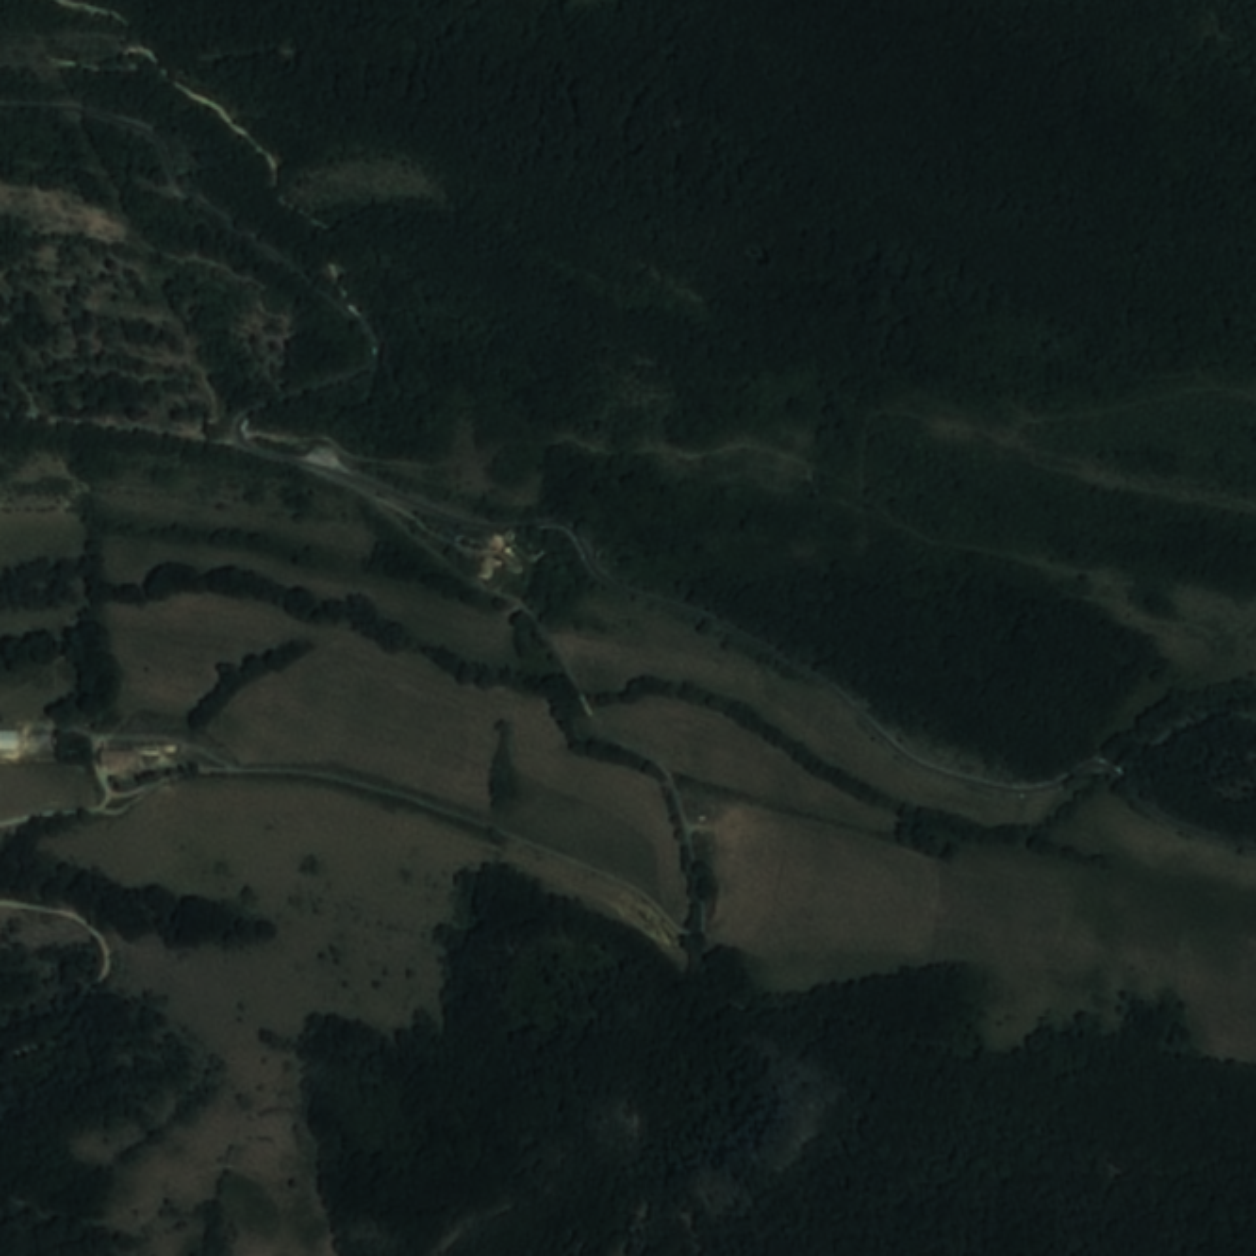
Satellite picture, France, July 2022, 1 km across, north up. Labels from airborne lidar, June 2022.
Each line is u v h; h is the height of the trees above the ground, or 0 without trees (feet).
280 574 0
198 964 0
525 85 49
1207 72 44
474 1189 51
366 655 0
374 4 60
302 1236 0
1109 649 41
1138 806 23
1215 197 28
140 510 0
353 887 0
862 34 67
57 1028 41
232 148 26
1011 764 33
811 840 0
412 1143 22
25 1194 33
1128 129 66
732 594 33
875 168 43
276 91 34
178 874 0
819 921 0
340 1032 45
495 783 30
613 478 32
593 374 32
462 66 67
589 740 19
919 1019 52
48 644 61
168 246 22
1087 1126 51
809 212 63
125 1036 40
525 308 31
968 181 46
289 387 31
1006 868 0
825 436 37
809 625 43
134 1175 0
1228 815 52
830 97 66
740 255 77
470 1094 57
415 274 26
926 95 68
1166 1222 41
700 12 47
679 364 37
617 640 0
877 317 49
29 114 37
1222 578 22
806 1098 20
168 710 0
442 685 0
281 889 0
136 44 34
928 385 43
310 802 0
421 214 43
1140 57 34
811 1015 32
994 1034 0
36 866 40
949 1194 47
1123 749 34
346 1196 35
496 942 67
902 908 0
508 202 30
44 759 0
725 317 43
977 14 40
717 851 0
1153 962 0
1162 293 35
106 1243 24
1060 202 42
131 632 0
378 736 0
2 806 0
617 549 22
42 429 37
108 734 0
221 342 25
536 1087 57
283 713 0
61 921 0
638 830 0
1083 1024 35
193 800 0
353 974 0
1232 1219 27
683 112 64
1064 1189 32
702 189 67
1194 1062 50
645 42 46
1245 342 20
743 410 31
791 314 51
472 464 0
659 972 33
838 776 34
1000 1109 43
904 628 51
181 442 37
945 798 0
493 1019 62
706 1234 45
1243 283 44
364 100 56
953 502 21
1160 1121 48
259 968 0
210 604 0
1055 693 40
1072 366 26
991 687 36
